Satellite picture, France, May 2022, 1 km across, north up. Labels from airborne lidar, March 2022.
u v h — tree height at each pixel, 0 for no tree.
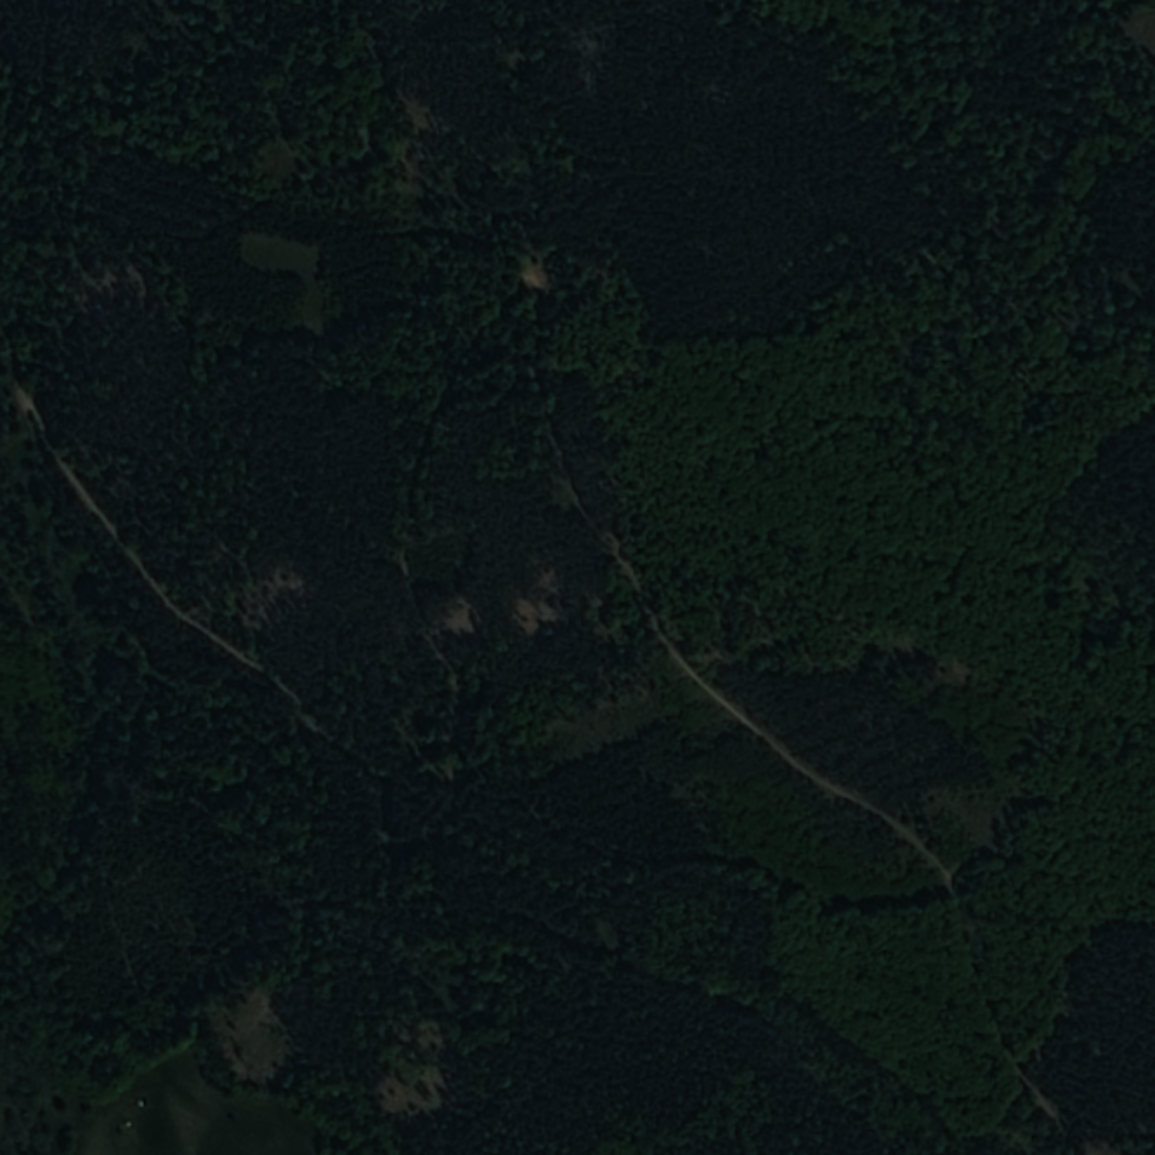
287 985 31
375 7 33
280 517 28
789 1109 22
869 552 24
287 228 11
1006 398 26
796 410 23
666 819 13
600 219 24
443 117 29
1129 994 17
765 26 28
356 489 25
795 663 21
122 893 6
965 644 26
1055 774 28
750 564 21
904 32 28
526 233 24
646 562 22
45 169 25
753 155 24
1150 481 25
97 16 34
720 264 23
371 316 27
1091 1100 17
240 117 30
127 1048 27
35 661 17
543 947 29
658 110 24
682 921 22
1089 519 27
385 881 29
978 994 21
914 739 14
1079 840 23
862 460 24
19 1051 18
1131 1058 18
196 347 24
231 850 27
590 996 25
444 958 21
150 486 25
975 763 17
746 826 6
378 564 27
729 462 19
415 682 27
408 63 28
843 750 15
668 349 24
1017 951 23
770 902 23
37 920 16
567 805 15
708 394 23
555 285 8
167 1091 0
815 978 25
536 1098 27
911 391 26
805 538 24
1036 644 25
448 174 17
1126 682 25
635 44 22
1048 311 32
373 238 12
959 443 28
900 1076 21
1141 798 25
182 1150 0
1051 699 25
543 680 22
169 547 27
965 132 23
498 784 25
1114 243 28
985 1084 22
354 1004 28
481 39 28
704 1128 21
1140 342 30
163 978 14
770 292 24
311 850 32
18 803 20
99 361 32
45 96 23
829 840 13
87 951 8
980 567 23
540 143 23
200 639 19
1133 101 27
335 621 26
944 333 27
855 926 22
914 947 27
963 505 24
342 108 27
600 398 21
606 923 29
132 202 17
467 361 5
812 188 22
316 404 28
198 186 17
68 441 27
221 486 25
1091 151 27
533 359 21
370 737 27
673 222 26
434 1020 29
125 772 28
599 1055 30
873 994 24
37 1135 10
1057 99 31
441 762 25
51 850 17
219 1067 23
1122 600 26
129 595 37
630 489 22
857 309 23
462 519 25
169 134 30
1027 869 22
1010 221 25
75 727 13
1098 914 21
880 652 20
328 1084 27
